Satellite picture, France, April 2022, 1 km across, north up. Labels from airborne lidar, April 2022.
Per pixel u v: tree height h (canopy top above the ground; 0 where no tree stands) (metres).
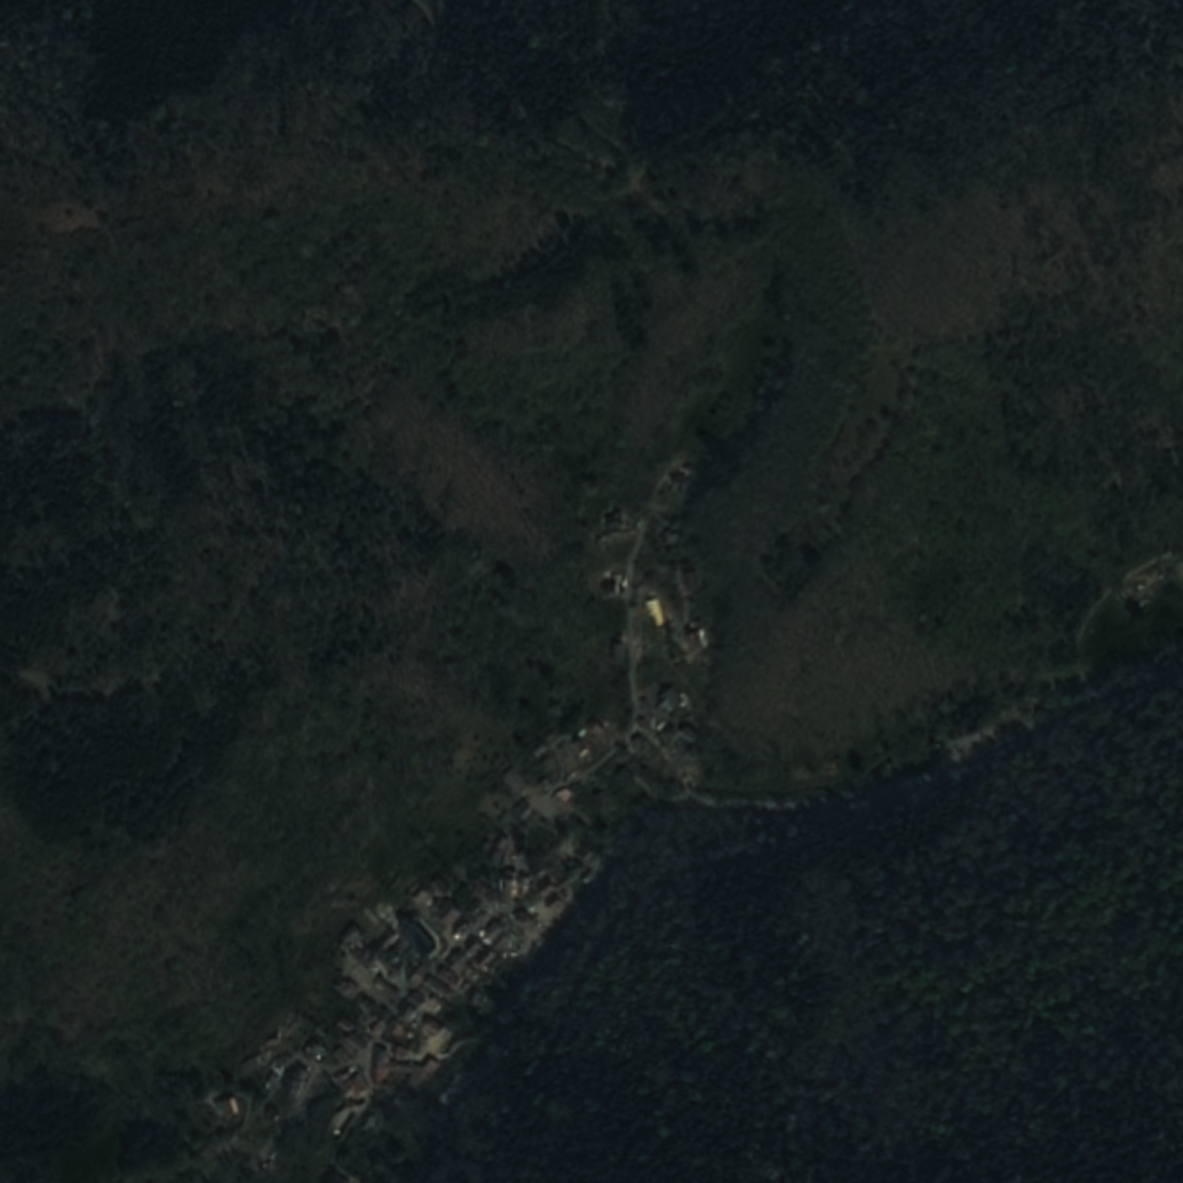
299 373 22
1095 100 18
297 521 28
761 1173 22
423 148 17
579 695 10
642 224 29
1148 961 27
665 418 20
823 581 13
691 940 23
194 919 16
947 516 21
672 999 18
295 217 7
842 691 15
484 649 22
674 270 13
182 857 16
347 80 22
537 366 20
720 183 15
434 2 14
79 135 15
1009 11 21
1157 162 20
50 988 15
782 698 14
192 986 15
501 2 23
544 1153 19
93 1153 0
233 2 12
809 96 9
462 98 24
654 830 15
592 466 9
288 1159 24
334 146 13
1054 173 23
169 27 15
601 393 14
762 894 24
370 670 22
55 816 25
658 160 20
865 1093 28
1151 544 15
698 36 26
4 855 16
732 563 24
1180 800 29
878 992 27
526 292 15
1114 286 25
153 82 13
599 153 14
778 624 14
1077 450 17
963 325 19
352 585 29
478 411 28
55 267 9
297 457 33
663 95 20
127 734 23
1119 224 22
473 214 16
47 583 18
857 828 32
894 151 21
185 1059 25
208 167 12
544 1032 19
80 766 23
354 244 10
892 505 21
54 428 20
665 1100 17
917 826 30
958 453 19
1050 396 19
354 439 22
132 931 14
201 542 12
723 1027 20
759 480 24
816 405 17
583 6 30
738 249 13
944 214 14
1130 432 22
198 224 10
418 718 20
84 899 9
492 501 18
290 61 23
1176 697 30
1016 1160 24
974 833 32
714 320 17
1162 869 27
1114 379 23
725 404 10
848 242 19
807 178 21
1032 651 25
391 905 0
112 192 13
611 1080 18
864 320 15
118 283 6
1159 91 19
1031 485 18
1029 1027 19
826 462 14
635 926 17
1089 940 27
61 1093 33
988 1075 26
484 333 23
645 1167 20
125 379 25
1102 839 26
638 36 29
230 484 29
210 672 20
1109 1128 25
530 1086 18
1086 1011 23
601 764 0
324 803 20
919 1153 24
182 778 21
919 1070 27
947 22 26
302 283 15
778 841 19
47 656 14
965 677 19
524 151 17
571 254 20
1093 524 23
